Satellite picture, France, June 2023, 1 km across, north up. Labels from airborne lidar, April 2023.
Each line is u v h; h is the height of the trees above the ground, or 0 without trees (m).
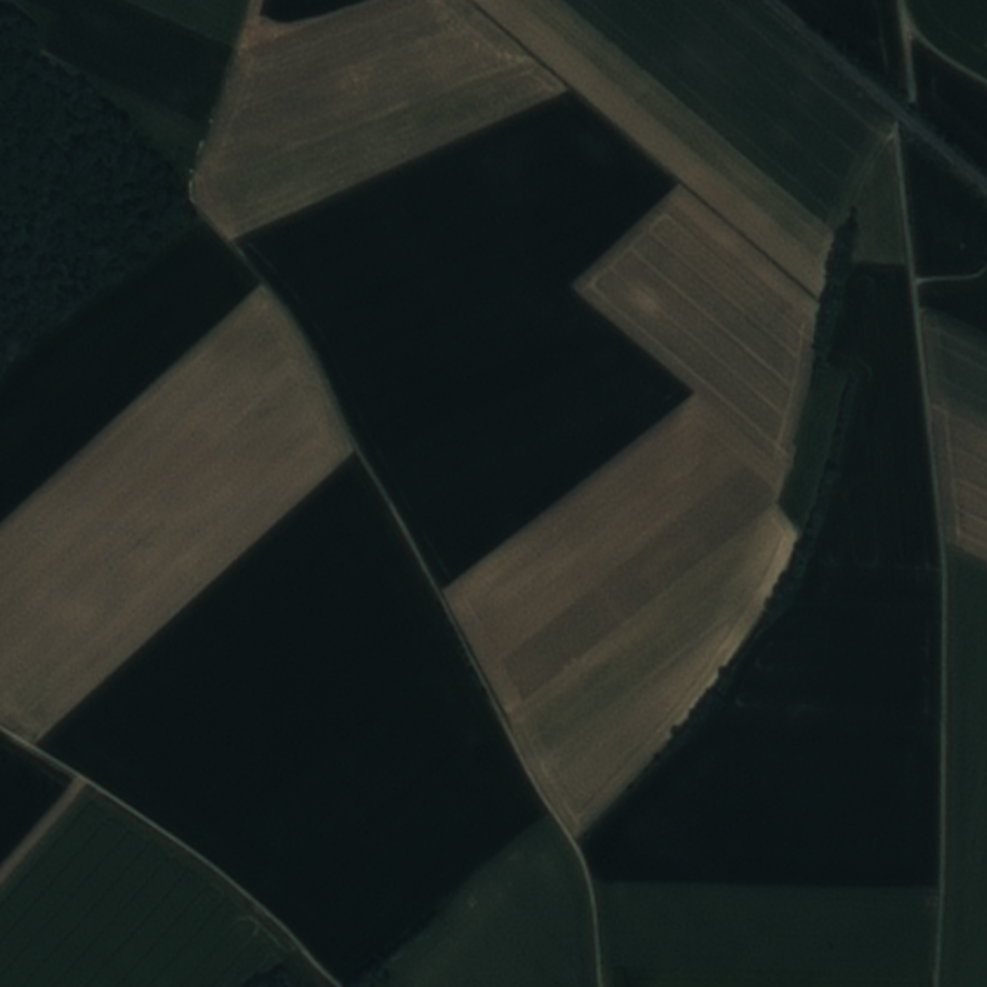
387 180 0
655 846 0
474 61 0
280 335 0
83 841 0
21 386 0
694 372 0
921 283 0
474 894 0
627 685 0
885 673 0
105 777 0
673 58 0
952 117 0
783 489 0
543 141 0
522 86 0
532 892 0
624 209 0
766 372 0
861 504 0
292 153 0
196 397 0
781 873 0
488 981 0
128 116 16
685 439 0
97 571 0
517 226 0
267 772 0
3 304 23
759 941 0
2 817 0
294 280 0
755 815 0
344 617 0
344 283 0
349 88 0
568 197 0
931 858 0
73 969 0
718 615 0
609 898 0
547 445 0
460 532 0
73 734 0
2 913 0
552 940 0
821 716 0
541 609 0
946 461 0
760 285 0
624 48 0
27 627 0
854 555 0
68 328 0
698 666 0
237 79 0
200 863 0
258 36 0
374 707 0
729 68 0
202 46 0
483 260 0
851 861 0
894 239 0
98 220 20
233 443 0
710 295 0
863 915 0
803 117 0
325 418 0
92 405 0
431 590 0
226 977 0
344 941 0
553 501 0
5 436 0
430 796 0
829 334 11
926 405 0
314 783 0
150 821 0
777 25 0
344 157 0
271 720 0
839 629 0
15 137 14
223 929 0
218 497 0
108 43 0
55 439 0
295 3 0
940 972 0
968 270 0
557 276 0
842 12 0
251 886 0
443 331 0
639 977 0
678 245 0
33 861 0
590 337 0
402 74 0
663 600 0
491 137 0
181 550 0
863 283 0
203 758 0
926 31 0
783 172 0
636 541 0
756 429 0
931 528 0
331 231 0
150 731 0
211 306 0
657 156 0
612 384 0
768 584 0
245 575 0
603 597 0
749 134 0
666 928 0
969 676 0
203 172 0
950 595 0
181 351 0
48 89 22
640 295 0
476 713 0
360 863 0
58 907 0
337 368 0
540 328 0
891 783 0
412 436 0
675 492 0
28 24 17
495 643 0
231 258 0
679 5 0
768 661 0
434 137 0
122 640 0
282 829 0
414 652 0
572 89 0
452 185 0
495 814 0
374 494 0
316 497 0
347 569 0
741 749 0
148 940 0
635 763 0
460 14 0
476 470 0
